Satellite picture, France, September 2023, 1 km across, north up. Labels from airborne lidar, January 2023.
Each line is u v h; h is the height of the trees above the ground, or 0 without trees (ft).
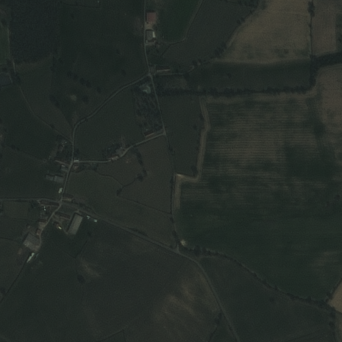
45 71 0
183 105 0
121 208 0
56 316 0
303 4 0
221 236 0
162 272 0
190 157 0
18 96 0
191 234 0
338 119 0
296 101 0
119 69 0
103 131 0
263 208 0
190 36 0
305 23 0
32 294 0
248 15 0
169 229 0
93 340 0
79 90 0
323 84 0
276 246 0
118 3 0
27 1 70
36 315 0
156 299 0
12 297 0
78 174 0
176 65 0
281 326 0
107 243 0
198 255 42
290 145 0
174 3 0
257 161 0
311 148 0
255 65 0
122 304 0
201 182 0
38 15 68
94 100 0
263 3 0
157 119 47
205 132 0
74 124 0
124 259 0
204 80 0
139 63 0
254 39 0
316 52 0
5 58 0
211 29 0
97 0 0
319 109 0
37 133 0
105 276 0
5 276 0
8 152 0
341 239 0
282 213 0
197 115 0
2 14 0
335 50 0
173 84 0
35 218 0
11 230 0
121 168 0
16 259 0
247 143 0
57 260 0
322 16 0
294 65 0
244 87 0
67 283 0
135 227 0
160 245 0
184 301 0
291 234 0
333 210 0
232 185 0
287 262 0
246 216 0
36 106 0
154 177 0
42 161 0
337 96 0
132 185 0
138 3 0
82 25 0
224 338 0
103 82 0
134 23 0
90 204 0
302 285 0
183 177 0
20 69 0
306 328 0
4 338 0
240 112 0
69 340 0
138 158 40
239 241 0
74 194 0
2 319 0
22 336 0
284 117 0
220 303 0
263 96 0
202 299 0
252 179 0
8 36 0
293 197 0
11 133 0
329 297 44
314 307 0
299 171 0
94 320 0
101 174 0
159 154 0
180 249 0
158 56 0
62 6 0
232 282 0
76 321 0
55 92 0
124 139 0
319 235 0
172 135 0
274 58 0
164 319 0
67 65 0
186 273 0
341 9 0
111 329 0
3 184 0
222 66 0
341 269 0
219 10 0
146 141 0
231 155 0
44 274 0
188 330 0
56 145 0
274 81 0
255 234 0
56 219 0
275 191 0
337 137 0
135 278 0
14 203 0
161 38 0
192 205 0
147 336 0
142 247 0
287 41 0
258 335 0
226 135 0
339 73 0
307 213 0
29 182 0
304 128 0
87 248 0
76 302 0
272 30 0
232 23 0
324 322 0
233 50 0
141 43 0
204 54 0
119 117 0
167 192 0
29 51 76
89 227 0
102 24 0
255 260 0
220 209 0
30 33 67
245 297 0
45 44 78
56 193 0
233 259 20
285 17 0
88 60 0
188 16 0
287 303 0
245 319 0
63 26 0
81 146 0
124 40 0
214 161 0
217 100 0
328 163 0
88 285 0
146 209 0
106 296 0
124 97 0
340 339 0
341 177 0
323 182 0
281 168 0
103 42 0
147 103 62
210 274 0
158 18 0
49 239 0
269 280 0
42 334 0
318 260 0
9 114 0
